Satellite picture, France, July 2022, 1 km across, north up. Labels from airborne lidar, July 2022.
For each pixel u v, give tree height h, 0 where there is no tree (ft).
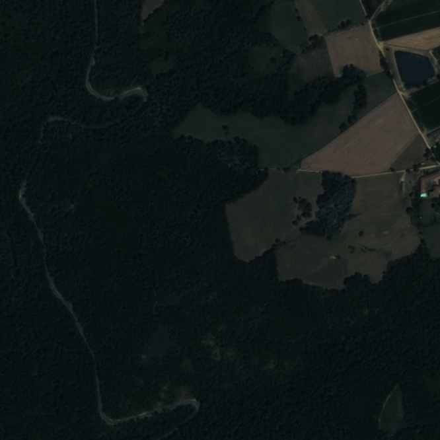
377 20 0
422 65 0
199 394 26
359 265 0
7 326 82
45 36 60
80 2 51
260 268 32
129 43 34
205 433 70
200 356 19
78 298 56
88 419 37
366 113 0
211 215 47
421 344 32
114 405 34
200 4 0
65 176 68
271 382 35
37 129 69
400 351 43
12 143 69
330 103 53
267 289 62
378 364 55
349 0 0
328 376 66
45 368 41
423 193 0
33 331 19
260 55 0
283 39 0
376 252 0
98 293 66
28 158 76
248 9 45
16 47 38
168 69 0
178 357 43
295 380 78
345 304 44
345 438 66
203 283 29
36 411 57
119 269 65
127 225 18
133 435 41
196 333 44
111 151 49
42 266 65
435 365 54
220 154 42
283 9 0
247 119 0
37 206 48
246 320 27
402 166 0
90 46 58
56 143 49
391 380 52
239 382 33
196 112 0
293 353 41
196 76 45
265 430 69
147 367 34
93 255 67
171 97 61
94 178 34
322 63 0
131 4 62
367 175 0
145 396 34
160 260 51
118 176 53
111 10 76
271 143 0
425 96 0
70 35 25
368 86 0
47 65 42
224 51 39
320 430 39
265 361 33
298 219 32
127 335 59
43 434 67
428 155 30
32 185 31
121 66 24
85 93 59
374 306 27
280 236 0
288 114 82
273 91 26
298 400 48
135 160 35
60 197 41
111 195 52
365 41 0
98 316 51
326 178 47
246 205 0
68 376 71
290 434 67
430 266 56
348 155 0
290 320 59
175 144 41
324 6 0
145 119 70
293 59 28
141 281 49
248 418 58
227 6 77
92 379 63
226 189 50
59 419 83
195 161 46
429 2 0
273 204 0
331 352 64
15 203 63
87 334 42
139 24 58
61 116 60
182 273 31
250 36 44
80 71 53
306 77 0
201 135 0
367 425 46
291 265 0
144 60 29
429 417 41
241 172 47
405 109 0
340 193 36
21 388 75
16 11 43
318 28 0
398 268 37
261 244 0
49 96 53
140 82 59
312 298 52
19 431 64
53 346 69
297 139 0
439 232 0
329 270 0
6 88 65
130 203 55
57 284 42
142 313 45
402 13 0
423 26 0
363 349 75
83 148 56
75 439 68
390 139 0
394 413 0
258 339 63
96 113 92
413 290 47
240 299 64
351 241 0
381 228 0
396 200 0
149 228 49
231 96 92
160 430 79
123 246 25
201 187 59
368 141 0
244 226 0
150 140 43
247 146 40
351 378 66
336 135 0
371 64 0
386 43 0
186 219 36
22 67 60
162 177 41
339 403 58
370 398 54
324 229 50
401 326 59
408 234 0
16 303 38
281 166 0
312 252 0
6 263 59
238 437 38
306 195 0
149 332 50
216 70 42
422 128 0
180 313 54
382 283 42
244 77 45
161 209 63
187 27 46
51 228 54
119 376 40
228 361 29
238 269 40
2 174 22
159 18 0
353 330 49
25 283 24
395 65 0
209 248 45
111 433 42
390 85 0
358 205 0
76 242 44
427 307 72
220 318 51
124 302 52
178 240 45
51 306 63
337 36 0
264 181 29
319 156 0
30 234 55
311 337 62
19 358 66
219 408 46
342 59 0
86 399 62
